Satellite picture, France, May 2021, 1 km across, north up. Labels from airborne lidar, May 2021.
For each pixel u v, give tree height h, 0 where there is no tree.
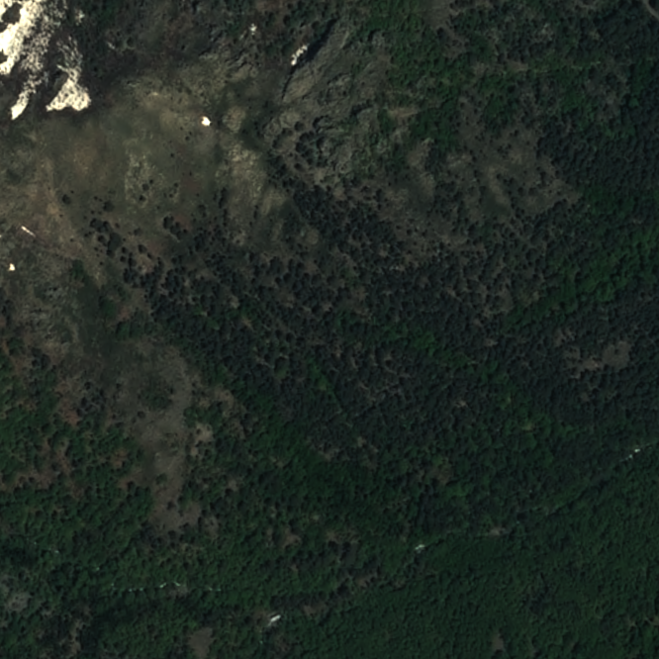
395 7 13
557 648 17
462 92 9
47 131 0
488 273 22
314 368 24
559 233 9
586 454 33
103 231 21
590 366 0
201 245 20
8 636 23
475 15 16
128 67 0
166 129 0
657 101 21
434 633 10
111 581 10
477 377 20
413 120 12
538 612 12
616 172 31
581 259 30
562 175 22
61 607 10
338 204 9
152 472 0
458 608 15
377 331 26
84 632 19
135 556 24
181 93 0
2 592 10
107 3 12
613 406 27
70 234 0
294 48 9
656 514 9
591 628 19
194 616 13
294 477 17
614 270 13
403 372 25
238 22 6
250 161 0
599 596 11
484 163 0
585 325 20
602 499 19
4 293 15
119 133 0
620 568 18
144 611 9
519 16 19
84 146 0
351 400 29
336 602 22
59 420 15
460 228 10
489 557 18
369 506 9
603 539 17
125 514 21
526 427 20
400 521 9
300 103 0
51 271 0
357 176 13
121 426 17
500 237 17
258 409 19
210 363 13
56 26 6
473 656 14
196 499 8
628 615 31
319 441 12
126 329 23
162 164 0
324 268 19
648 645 26
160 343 11
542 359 25
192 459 18
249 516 18
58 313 0
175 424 0
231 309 9
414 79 11
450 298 28
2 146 0
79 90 6
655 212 25
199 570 12
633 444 20
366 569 15
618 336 21
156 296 20
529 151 0
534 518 15
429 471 21
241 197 0
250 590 22
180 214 0
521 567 20
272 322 13
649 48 25
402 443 25
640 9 34
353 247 20
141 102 0
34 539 10
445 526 28
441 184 11
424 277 20
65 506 22
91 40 7
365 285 10
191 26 0
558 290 26
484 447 23
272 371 28
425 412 15
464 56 12
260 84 0
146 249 22
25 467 16
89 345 0
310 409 16
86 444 20
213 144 0
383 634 14
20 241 0
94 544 17
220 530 7
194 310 25
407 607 12
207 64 0
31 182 0
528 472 22
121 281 0
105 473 19
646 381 28
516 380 21
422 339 21
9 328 10
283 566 25
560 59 10
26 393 6
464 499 18
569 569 8
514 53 15
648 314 18
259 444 24
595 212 20
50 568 20
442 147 10
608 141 13
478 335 23
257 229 0
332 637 23
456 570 13
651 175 30
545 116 11
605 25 37
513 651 17
